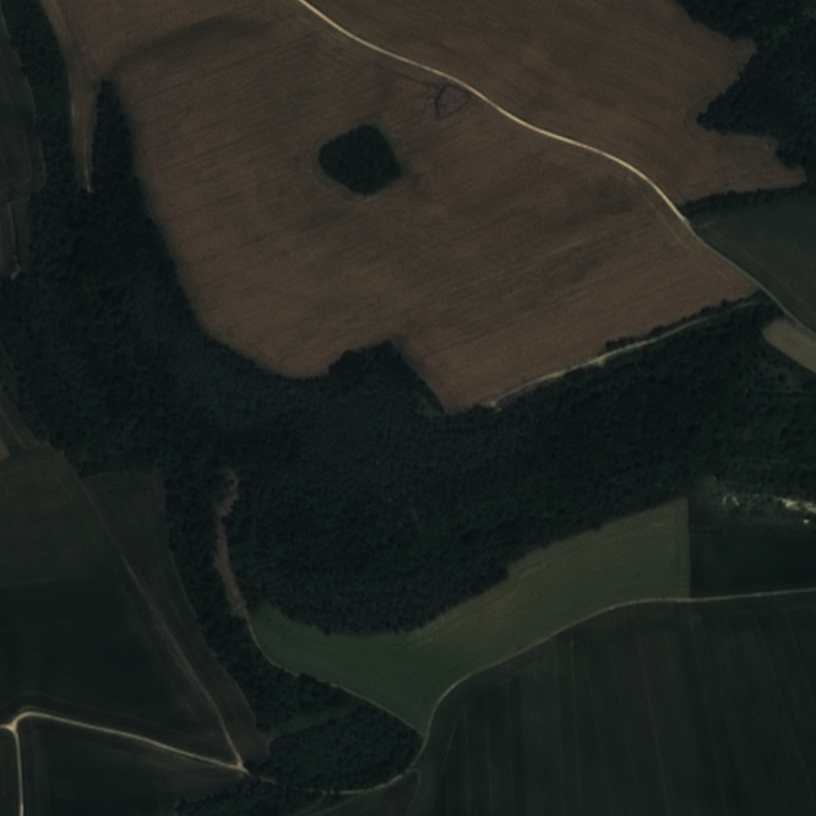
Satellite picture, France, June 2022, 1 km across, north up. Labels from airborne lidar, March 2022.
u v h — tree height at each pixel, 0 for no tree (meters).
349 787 14
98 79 0
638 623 0
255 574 16
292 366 0
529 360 0
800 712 0
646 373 7
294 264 0
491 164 0
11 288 20
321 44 0
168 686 0
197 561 17
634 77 0
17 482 0
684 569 0
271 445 15
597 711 0
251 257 0
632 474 12
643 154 0
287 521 17
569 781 0
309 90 0
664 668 0
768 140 0
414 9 0
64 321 27
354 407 17
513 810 0
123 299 18
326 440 13
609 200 0
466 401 0
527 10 0
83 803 0
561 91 0
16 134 0
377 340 0
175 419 21
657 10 0
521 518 14
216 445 18
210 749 0
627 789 0
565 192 0
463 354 0
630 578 0
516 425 12
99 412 23
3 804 0
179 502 18
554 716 0
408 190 0
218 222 0
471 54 0
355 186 8
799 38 19
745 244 0
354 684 0
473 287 0
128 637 0
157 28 0
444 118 0
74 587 0
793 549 0
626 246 0
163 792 0
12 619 0
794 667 0
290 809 14
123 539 0
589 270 0
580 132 0
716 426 8
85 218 24
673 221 0
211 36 0
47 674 0
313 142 0
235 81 0
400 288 0
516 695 0
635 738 0
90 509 0
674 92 0
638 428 18
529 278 0
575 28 0
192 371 15
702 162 0
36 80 8
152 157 0
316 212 0
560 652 0
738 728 0
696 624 0
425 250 0
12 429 0
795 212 0
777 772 0
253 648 16
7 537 0
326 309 0
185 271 0
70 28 0
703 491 0
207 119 0
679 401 21
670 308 0
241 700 0
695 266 0
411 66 0
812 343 0
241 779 0
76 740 0
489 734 0
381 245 0
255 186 0
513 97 0
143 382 9
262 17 0
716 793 0
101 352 28
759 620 0
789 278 0
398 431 14
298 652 0
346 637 0
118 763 0
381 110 0
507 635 0
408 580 17
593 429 18
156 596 0
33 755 0
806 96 20
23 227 0
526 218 0
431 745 0
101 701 0
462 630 0
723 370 22
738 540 0
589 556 0
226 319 0
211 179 0
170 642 0
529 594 0
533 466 10
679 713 0
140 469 16
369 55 0
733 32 10
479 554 13
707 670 0
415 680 0
